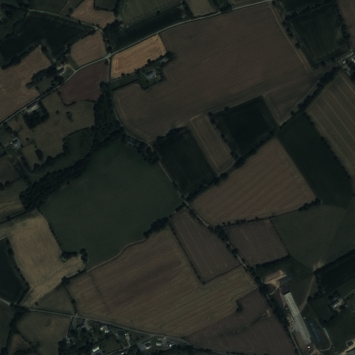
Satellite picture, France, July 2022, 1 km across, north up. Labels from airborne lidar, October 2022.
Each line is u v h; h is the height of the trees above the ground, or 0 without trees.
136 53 0
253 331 0
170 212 0
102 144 15
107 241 0
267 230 0
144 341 0
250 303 0
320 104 0
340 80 0
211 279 0
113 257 0
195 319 0
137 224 0
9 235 0
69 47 9
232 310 0
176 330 0
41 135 0
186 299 0
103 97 13
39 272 0
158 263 0
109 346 0
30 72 0
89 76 0
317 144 0
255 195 0
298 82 0
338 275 0
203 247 0
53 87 11
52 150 0
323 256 0
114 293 0
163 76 5
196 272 8
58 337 0
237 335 0
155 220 0
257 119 0
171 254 0
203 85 0
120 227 0
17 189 0
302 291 0
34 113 10
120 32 0
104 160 0
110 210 0
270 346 0
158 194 0
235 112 0
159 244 0
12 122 0
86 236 0
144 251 0
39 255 0
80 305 0
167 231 0
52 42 0
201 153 0
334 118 0
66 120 0
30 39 0
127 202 0
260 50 0
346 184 0
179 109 0
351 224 0
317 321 0
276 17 0
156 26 0
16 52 0
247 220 10
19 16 0
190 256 0
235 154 15
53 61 8
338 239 0
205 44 0
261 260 0
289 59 0
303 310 0
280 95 0
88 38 0
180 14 0
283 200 0
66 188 0
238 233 0
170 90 0
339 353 0
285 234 0
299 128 0
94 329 8
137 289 0
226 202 0
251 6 0
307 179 0
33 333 0
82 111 0
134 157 0
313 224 0
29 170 7
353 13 0
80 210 0
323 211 0
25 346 0
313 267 0
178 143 0
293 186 0
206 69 0
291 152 0
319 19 0
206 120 0
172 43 0
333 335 0
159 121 0
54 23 0
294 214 0
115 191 0
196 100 0
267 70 0
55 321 0
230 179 0
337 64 0
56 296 0
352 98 0
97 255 0
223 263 0
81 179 0
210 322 0
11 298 0
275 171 0
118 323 0
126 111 0
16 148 0
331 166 0
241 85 0
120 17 0
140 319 0
